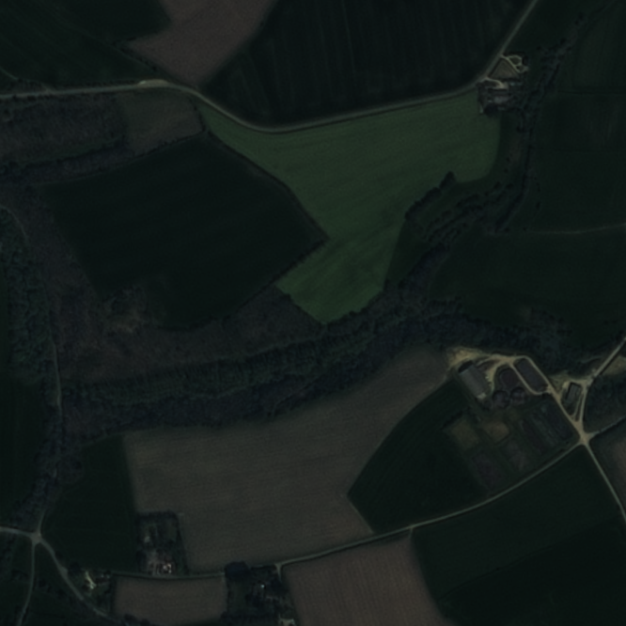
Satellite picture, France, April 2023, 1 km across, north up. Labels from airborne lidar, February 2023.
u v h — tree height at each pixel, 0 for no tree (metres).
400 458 0
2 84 0
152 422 12
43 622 0
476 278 0
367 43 0
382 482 0
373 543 0
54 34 0
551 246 0
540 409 0
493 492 0
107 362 8
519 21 0
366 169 0
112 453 0
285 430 0
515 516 0
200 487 0
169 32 0
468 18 0
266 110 0
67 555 0
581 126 0
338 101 0
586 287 0
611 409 13
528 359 0
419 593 0
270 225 0
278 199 0
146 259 0
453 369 0
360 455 0
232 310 0
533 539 0
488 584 0
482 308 0
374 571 0
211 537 0
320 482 0
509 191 8
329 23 0
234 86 0
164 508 0
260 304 7
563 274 0
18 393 0
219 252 0
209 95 0
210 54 0
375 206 0
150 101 0
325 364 6
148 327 10
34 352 6
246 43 0
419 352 0
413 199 0
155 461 0
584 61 0
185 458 0
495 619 0
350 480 0
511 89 9
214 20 0
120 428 11
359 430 0
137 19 0
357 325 8
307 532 0
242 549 0
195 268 0
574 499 0
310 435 0
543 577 0
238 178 0
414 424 0
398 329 12
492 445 0
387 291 13
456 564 0
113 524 0
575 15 0
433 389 0
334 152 0
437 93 0
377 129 0
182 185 0
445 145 0
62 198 0
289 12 0
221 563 0
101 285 0
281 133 0
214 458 0
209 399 17
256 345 13
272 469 0
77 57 0
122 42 0
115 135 15
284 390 13
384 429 0
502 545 0
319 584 0
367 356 15
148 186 0
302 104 0
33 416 0
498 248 0
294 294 0
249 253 0
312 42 0
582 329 0
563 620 0
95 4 0
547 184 0
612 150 0
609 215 0
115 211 0
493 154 0
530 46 0
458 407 0
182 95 0
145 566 14
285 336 17
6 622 0
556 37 0
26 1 0
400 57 0
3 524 0
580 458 0
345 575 0
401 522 0
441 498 0
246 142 0
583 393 0
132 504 0
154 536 20
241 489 0
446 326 17
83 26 0
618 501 0
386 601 0
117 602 0
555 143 0
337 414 0
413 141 0
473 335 20
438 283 0
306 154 0
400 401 0
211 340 12
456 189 0
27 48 0
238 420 7
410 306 8
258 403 13
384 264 0
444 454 0
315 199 0
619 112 0
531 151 6
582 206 0
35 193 11
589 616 0
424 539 0
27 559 0
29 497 7
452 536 0
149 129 0
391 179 0
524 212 0
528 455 0
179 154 0
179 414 14
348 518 0
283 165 0
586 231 0
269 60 0
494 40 0
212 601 0
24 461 0
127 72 0
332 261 0
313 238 0
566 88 0
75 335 14
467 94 0
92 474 0
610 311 0
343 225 0
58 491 15
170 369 9
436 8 0
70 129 17
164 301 0
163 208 0
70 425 13
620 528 0
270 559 0
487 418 0
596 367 0
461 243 0
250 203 0
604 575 0
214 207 0
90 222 0
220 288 0
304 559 0
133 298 9
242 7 0
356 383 8
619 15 0
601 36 0
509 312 0
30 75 0
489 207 7
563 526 0
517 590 0
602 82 0
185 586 0
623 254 0
